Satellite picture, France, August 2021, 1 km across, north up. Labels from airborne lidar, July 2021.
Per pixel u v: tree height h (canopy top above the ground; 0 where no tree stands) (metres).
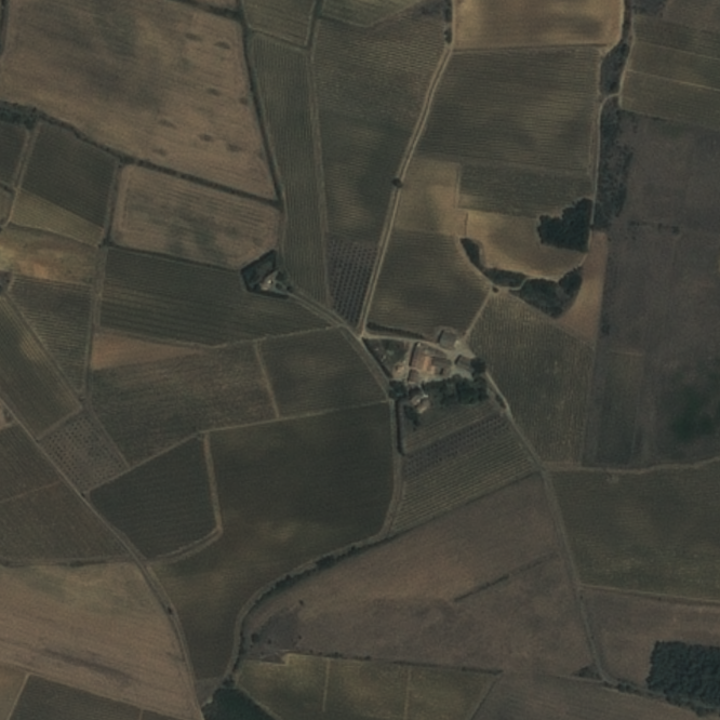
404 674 0
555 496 0
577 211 8
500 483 0
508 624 0
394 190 0
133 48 0
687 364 0
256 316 0
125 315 0
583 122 0
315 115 0
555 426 0
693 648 10
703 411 0
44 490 0
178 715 0
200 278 0
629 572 0
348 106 0
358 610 0
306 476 0
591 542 0
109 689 0
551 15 0
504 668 0
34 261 0
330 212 0
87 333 0
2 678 0
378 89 0
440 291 0
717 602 0
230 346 0
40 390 0
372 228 0
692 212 0
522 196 0
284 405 0
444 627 0
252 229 0
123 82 0
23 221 0
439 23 0
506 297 0
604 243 0
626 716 0
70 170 0
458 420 0
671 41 0
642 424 0
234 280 0
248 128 0
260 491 0
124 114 0
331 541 0
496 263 0
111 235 0
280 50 0
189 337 0
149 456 0
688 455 0
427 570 0
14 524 0
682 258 0
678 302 0
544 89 0
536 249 0
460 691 0
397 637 0
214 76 0
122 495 0
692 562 0
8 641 0
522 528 0
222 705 5
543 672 0
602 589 0
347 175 0
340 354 0
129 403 0
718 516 0
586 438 0
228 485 0
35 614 0
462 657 0
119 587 0
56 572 0
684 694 17
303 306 0
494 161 0
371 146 0
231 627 0
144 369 0
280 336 0
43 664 0
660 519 0
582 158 0
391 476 0
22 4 0
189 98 0
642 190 0
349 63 0
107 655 0
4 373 0
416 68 0
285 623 0
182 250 0
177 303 0
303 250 0
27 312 0
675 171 0
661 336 0
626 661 0
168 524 0
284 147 0
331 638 0
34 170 0
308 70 0
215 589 0
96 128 0
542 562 0
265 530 0
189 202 0
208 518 0
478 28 0
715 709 7
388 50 0
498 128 0
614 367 0
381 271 0
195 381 0
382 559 0
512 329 0
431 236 0
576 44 0
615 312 0
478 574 0
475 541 0
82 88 0
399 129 0
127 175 0
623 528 0
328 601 0
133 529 0
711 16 0
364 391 0
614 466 0
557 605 0
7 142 0
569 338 0
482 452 0
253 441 0
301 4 0
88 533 0
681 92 0
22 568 0
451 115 0
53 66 0
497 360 0
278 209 0
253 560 0
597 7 0
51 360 0
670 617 0
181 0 0
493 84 0
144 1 0
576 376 0
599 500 0
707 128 0
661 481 0
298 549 0
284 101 0
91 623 0
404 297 0
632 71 0
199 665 0
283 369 0
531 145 0
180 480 0
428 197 0
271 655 0
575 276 6
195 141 0
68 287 0
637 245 0
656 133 0
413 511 0
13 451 0
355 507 0
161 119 0
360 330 0
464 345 0
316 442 0
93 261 0
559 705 0
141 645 0
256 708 7
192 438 0
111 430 0
